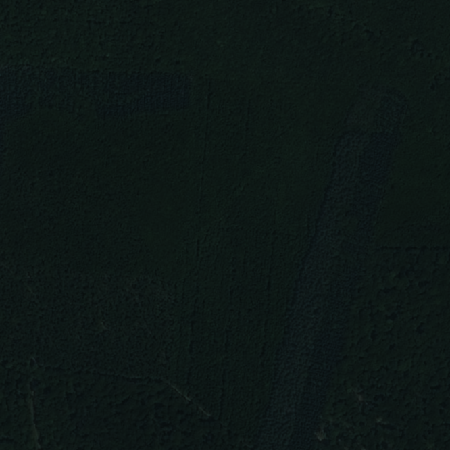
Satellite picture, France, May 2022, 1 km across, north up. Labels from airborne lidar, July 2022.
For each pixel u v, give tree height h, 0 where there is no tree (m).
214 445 23
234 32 18
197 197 15
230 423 19
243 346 20
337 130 15
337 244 30
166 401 29
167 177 13
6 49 19
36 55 15
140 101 22
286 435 35
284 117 14
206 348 21
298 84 13
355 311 24
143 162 15
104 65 16
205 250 10
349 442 28
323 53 20
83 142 17
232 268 14
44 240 20
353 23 23
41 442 17
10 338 24
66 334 21
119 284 20
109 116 17
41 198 18
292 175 12
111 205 14
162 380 18
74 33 14
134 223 13
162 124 19
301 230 19
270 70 18
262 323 19
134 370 25
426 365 24
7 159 17
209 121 18
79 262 18
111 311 20
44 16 18
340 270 18
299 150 15
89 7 15
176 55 21
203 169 13
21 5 18
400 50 25
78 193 20
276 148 15
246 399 20
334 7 22
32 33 18
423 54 21
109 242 18
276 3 25
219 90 16
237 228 14
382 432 27
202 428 27
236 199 16
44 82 15
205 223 19
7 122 14
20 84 13
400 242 15
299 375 33
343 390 27
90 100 13
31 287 19
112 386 22
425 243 17
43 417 17
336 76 17
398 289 25
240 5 18
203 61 21
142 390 26
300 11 28
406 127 12
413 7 18
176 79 16
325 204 29
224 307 15
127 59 19
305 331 33
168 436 21
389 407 27
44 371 26
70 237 20
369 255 20
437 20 18
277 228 17
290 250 20
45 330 22
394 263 27
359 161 23
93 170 17
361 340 32
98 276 18
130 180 16
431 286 27
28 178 18
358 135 24
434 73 15
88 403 23
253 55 17
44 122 17
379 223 11
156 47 23
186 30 22
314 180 15
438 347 24
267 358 20
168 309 20
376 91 19
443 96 19
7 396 32
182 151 18
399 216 10
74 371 19
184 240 14
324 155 17
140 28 20
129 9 21
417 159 13
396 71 18
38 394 22
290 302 20
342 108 12
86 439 23
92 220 18
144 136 19
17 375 32
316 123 13
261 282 20
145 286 18
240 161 15
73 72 16
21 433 18
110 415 24
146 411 26
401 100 12
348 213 23
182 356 20
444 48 21
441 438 28
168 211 12
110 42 19
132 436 23
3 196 19
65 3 23
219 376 21
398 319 25
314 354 24
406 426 25
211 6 19
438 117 20
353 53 20
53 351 22
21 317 24
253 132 18
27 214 18
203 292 15
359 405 22
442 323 25
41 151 18
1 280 21
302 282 34
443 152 14
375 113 12
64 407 26
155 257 14
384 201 13
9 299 22
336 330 17
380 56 18
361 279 23
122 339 24
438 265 28
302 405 23
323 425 24
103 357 22
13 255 22
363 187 20
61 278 22
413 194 8
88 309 22
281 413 33
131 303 23
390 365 30
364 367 25
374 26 24
